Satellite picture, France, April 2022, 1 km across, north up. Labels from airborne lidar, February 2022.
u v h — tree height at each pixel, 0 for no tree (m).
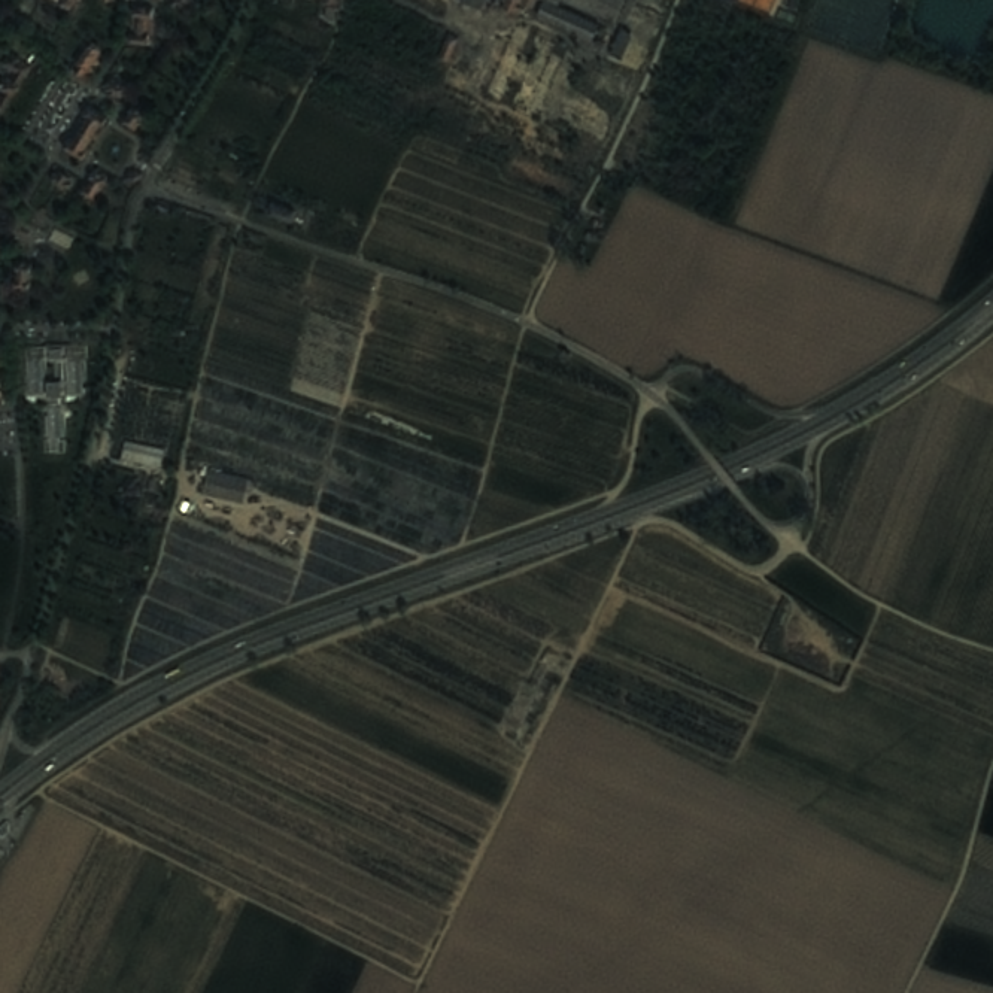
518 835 0
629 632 0
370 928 0
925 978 0
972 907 0
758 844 0
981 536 0
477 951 0
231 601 0
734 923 0
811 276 0
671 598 0
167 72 0
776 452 0
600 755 0
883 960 0
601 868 0
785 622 0
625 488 0
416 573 0
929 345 0
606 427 0
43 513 0
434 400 0
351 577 0
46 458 0
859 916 0
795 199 0
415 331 0
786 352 0
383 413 0
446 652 0
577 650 0
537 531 0
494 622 0
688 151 6
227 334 0
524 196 0
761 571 0
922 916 0
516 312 0
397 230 0
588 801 0
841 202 0
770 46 11
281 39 8
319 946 0
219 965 0
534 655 0
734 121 24
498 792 0
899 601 0
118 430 11
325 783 0
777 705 0
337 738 0
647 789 0
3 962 0
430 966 0
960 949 0
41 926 0
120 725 0
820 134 0
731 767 0
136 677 0
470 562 0
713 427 29
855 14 0
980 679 0
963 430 0
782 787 0
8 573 0
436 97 0
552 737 0
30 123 0
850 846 0
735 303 0
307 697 0
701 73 21
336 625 0
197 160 0
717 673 0
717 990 0
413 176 0
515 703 0
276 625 0
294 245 0
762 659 0
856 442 0
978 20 0
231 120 0
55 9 9
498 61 0
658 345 0
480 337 0
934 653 0
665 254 0
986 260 0
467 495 0
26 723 10
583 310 0
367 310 0
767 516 0
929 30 0
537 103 0
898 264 0
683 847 0
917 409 0
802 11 0
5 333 9
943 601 0
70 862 0
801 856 0
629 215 0
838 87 0
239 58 0
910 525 0
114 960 0
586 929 0
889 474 0
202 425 0
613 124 0
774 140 0
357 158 0
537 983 0
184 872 0
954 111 0
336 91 8
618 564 0
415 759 0
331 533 0
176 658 0
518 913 0
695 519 12
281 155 0
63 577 13
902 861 0
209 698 0
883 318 0
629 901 0
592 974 0
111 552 0
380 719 0
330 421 0
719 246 0
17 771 0
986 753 0
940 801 0
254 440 0
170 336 6
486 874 0
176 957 0
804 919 0
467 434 0
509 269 0
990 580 0
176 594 0
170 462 11
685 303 0
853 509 0
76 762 0
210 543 0
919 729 0
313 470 0
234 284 0
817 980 0
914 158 0
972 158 0
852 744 0
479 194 0
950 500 0
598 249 0
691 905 0
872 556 0
